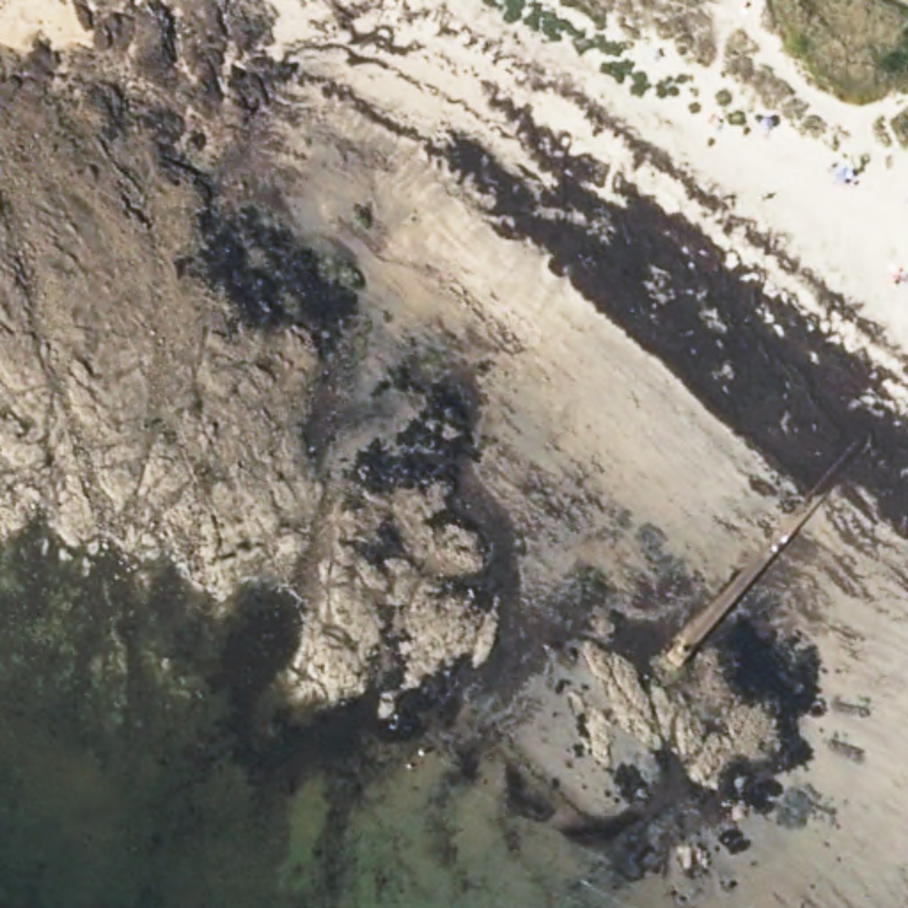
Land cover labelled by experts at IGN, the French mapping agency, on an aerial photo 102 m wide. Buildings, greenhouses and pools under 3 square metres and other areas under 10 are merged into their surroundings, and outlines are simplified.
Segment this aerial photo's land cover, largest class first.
<instances>
[{"label":"bare soil","instance_id":"1","mask_svg":"<svg viewBox=\"0 0 908 908\"><path fill-rule=\"evenodd\" d=\"M709 0H0V536H14L32 518V511H46L50 528L64 539L60 560H71L74 546L85 550L82 575L92 571L96 553L114 546L142 560H170L195 592L213 596L216 617H227L231 592L241 585H270L284 592L305 610L301 642L284 674L291 699L337 702L344 695L365 692L369 681H383L387 692L380 695V716H394V702L411 688H419V681L433 674L443 660L472 656V663H482L489 656L500 610L497 599H489V610H479L472 592H465L461 599H433V589L443 575L479 571L475 536L458 525L429 528V518L443 507V482H433L422 493H372L369 468L358 458L372 443L365 426L344 433L326 450L330 482H309L305 468L298 465V436L309 415L301 383L316 362L309 333L298 326H284L277 333L248 330L245 316L231 305L227 291L206 287L209 266L202 255L206 241L199 234V213L255 209L262 227L305 238V245L319 255L323 280L344 284L355 298H362L365 291L394 312L387 333L404 341V355H419V369L429 380L443 383L450 376H461L465 369L475 380L482 394V408L472 429L479 461H472L468 475L507 511L514 525L521 607H539L546 596L564 599L578 564L599 568L614 585L607 599L592 610V628L585 631L582 646L568 642L560 653L546 646V663L539 670V677L553 692H568L571 677L592 685V709L589 716H575L578 734L571 752H589L592 759L607 763V720L617 716L638 745L653 752L660 745L677 752L695 784L716 787L731 759H766L780 745L777 720L766 716L759 706H745L741 695L731 692L720 674L716 649L731 635L734 621L745 617L759 628V635H777L780 653H795L798 646L819 653L823 713L802 716V738L809 741L812 759L777 777L780 791L770 798L766 812L734 805L724 819L713 823L706 812H699L695 802H674L670 812L649 826L635 809L621 816H592L585 823L564 826V837L571 844L607 851L617 887L614 908H908V528L897 536L880 518V500L865 486L812 497L798 489L795 479L770 468L759 450H752L727 422H720L656 355L638 348L614 319H607L592 301H585L568 277H557L550 270V255L539 245L507 241L497 234L504 223H514V216H493L497 195L479 192L468 174L450 170L447 142L454 138V131H465L468 138L482 142L511 174H518L528 184L532 209L543 220H568L578 227L585 223L582 209L543 206L539 192L564 181L614 206H628L638 195L656 199L660 209L685 216L713 245H720L724 262L741 270V280L763 284L766 294L759 298V319L773 337H784L809 323V330L830 333L834 344H844L848 351L865 355L873 362L869 387L862 397H851V408L887 415L894 408L908 415V149L894 160V167H873L869 156H858L848 181L841 184L830 170L834 149L816 138L823 131V117H816L784 78L773 74V67L752 64L759 46L748 39L745 28H738L731 39L716 32L713 14L706 11ZM677 568L685 575L706 578V610L692 624H685L674 646L656 660H638L631 667L617 653H607L610 617L617 610L628 621H660L653 607H635L638 578L660 582ZM766 28L780 35L784 53H791L802 64L805 78L819 92H830L841 103L855 106L897 92L894 74L876 64L908 32V0H763ZM883 145H908V110H901L897 117H880L873 124Z\"/></svg>","mask_w":908,"mask_h":908},{"label":"water","instance_id":"2","mask_svg":"<svg viewBox=\"0 0 908 908\"><path fill-rule=\"evenodd\" d=\"M64 539L50 528L46 511H32V518L14 536H0V908H614L617 887L607 851L571 844L564 837V826L585 823L592 816L557 777L539 770L536 759L521 748V727L539 713V699H532L525 688H518L507 699L486 695L482 685L468 681L461 692L458 716H436L415 702L411 688L394 702V716H380V695L387 692L383 681H369L365 692L344 695L337 702L291 699L284 674L301 642L305 610L284 592L270 585H241L231 592L227 617H216L213 596L195 592L170 560H142L114 546L96 553L92 571L82 575L85 550L74 546L71 560H60Z\"/></svg>","mask_w":908,"mask_h":908},{"label":"herbaceous vegetation","instance_id":"3","mask_svg":"<svg viewBox=\"0 0 908 908\"><path fill-rule=\"evenodd\" d=\"M894 74L897 92H908V32L876 64ZM450 170L468 174L479 192L497 195L493 216H514V223H504L497 234L507 241L539 245L550 255V270L557 277H568L585 301H592L607 319H614L638 348L656 355L720 422H727L752 450H759L770 468L795 479L798 489L812 497L865 486L880 500V518L897 536L908 528V415L894 408L887 415L851 408V397H862L869 387L873 362L865 355L848 351L844 344H834L830 333L809 330V323L784 337H773L759 319V298L766 294L763 284L741 280V270L724 262L720 245H713L685 216L660 209L656 199L638 195L628 206H614L564 181L539 192L543 206L582 209L585 223L578 227L568 220H543L532 209L528 184L518 174H511L482 142L468 138L465 131H454V138L447 142ZM199 234L206 241L202 255L209 266L206 287L227 291L231 305L245 316L248 330L277 333L284 326H298L309 333L316 362L301 383L309 415L298 436V465L305 468L309 482H330L326 450L344 433L365 426L372 443L358 458L369 468L372 493H422L433 482H443V507L429 518V528L458 525L475 536L479 571L443 575L433 589V599H461L465 592H472L479 610H489V599H497L500 610L489 656L482 663H472V656L443 660L433 674L419 681V688H411L415 702L436 716H458L461 692L468 681L482 685L486 695L507 699L518 688H525L532 699H539V713L521 727V748L536 759L539 770L557 777L592 816H621L635 809L649 826L670 812L674 802H695L699 812H706L713 823L724 819L734 805L766 812L770 798L780 791L777 777L812 759L809 741L802 738V716L823 713L819 653L798 646L795 653H780L777 635H759V628L745 617L734 621L731 635L716 649L720 674L731 692L741 695L745 706H759L766 716L777 720L780 745L766 759H731L716 787L695 784L677 752L660 745L653 752L638 745L617 716L607 720V763L592 759L589 752H571L578 734L575 716H589L592 709V685L571 677L568 692H553L539 677V670L546 663V646L560 653L568 642L582 646L585 631L592 628V610L607 599L614 585L599 568L578 564L564 599L546 596L539 607H521L514 525L507 511L468 475L472 461H479L472 429L482 408V394L475 380L465 369L461 376H450L443 383L429 380L419 369V355H404V341L387 333L394 312L365 291L362 298H355L344 284L323 280L319 255L305 245V238L262 227L255 209L199 213ZM706 578L685 575L677 568L660 582L638 578L635 607H653L660 621H628L617 610L610 617L607 653H617L631 667L638 660H656L674 646L685 624H692L706 610Z\"/></svg>","mask_w":908,"mask_h":908},{"label":"pervious surface","instance_id":"4","mask_svg":"<svg viewBox=\"0 0 908 908\"><path fill-rule=\"evenodd\" d=\"M706 11L713 14L716 32L731 39L738 28H745L748 39L759 46L752 64L773 67V74L784 78L816 117H823V131L816 138L834 149L830 170L841 184L848 181L858 156H869L873 167H894V160L908 149V145H883L873 124L880 117H897L901 110H908V92H897L855 106L841 103L830 92H819L805 78L802 64L791 53H784L780 35L766 28L763 0H709Z\"/></svg>","mask_w":908,"mask_h":908}]
</instances>
